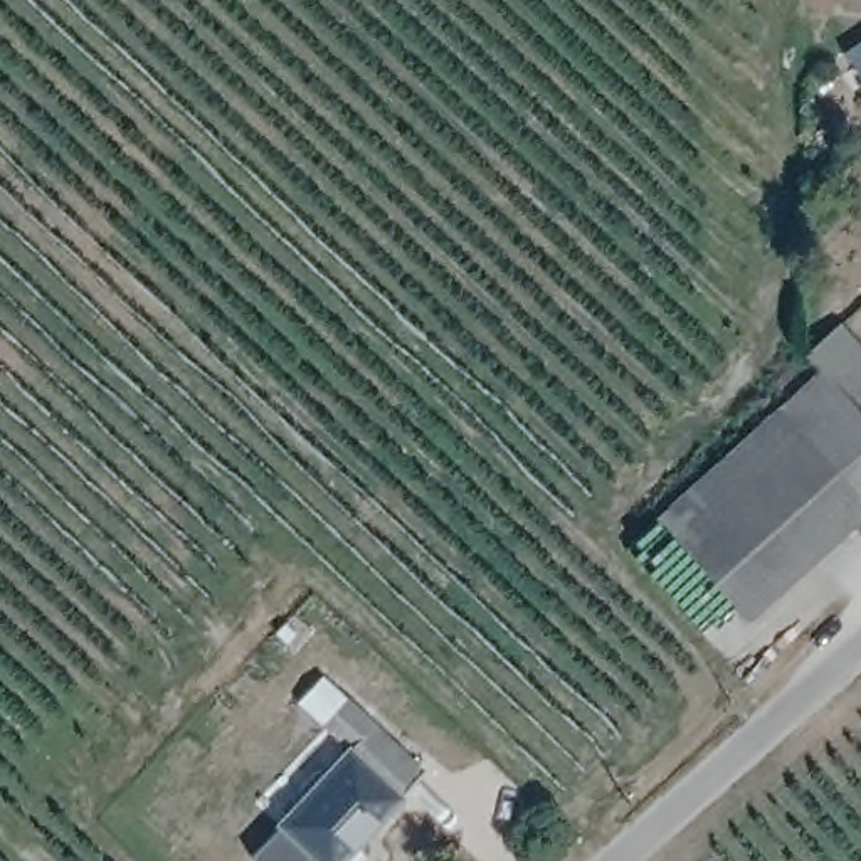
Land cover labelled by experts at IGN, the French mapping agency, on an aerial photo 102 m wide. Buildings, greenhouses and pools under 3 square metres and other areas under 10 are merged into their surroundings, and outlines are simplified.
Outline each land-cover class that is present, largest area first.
<instances>
[{"label":"deciduous trees","instance_id":"1","mask_svg":"<svg viewBox=\"0 0 861 861\"><path fill-rule=\"evenodd\" d=\"M0 17L10 27H17L37 54H44L74 87H81L101 108V114H108L151 161H158L175 178V185L165 192L138 161H131L118 148V141H111L71 98H64L30 61H24L7 37H0V121L24 145H30L91 209H98L121 235H128L192 303H198L229 336H235V343L249 357H256L316 420H323L326 427L320 431V441H326V447L333 451V471L323 474L279 431L266 427L259 414L269 404L256 397V383L249 377L229 373L222 380L219 373H212L111 272L101 283L131 309L124 320H118L108 306L94 299L87 286H81L64 269L61 259L44 252L0 209V333H10L17 340V353L37 370V377L27 380L0 360V521L20 541H27L44 562H50L61 572V578H67L121 632V639L111 642L74 602H67L50 585V578H44L20 552H13L0 538V558L24 572L37 592H44L114 666H121L118 673H101L91 663V656L74 639H67L0 572V595H7L84 669V679L77 683L81 693H87L101 706L124 713L128 737H145L161 716V703L168 693H175L178 686H185L188 679L202 676L209 666L219 663V646L209 639L205 626L219 619L232 632H242L252 612V585L262 589V595H272L279 585V568L286 562L316 568L340 589L360 595L363 605L380 612L397 636L417 646L420 656L451 666H467L471 676L491 693L508 686V673L518 669L535 693H541L545 683L535 669L548 666L562 683H568L585 700L589 693L555 659H548V649L558 646L595 683L605 686V693L626 713H639L636 700H629V693L615 686L612 676H605L585 652H578L562 636V629L548 622V612H558L572 629H578L589 639V646H595L609 663H615V669L629 676L639 689L656 676L676 686V676L666 669L669 663H679L686 673H696V659L676 642V636L663 622H656L642 602H636L595 558L585 555V548H578L552 521L555 511L568 508L582 515L589 525L602 521L612 501V467L578 437L575 427H568L562 414H555L538 397L535 387L518 380L447 306L437 303L434 293L424 289V283H417L387 249H380L343 209H336V202L316 188L309 175H303L239 111H232L229 101H222L121 0H0ZM74 158L84 168H91L108 188H114L135 209V215L121 219V212L111 202L94 195V188L84 185L77 172H71L67 161ZM239 98H246L286 141H293L303 151V158H309L346 198H353L414 262H420L434 279H441V286H447L498 336V343L508 346L535 377H541L626 464H632V447L622 441V434L609 427L602 417H595V410L582 404L575 390H568L552 370H545V363L528 346H521L504 330V323L484 303H478L474 293H467L441 262H434L380 205L367 198L360 185H353L336 165H330L259 91H252L161 0H141ZM212 34H219V40L229 44V50H235V57L249 71H256L289 108H296L346 161H353L404 215H410L417 229H424L481 286H488V293L501 306H508L535 340H541L646 441L649 427L642 424V417L612 387H605L595 370H589L558 336H552L528 309H521L504 286H498L451 235H444L326 118H320L303 98H296L289 84L276 71H269L239 37H232V30H225L198 0H182ZM256 40H262L289 71H296V77L313 94H320L360 138H367L387 161H394L397 172L444 219H451L501 272H508L548 316H555V323H562L578 343H585L602 363H609V370L622 377L656 417L673 414L659 400V394L646 387L636 373H629V367L619 363V357H612L599 343V336L582 330L521 266H515L464 212H457L380 131H373L326 81H320L309 71L303 57H296L272 30H266L239 0H219ZM474 209H481L528 259H535L565 293H572L595 320H602L612 330V336H619L622 346L632 350L676 394L683 390V377L689 373L703 383L726 373V346L706 330L716 323L750 326V303L760 283H774L780 289L787 279L797 286L807 266H827V252L821 242L811 252H774L770 235L760 229V198L767 178L703 131L700 118L689 111L693 98L686 94L693 77L639 27L649 17L679 50L689 54L693 44L656 10L659 3H666L686 24L700 27L703 20L693 17V10L683 0H262ZM464 161L478 165L484 178H491L558 246V252L548 256L488 195H481V188L457 172ZM800 215L817 239L841 215L861 219V141H841L824 182L800 185ZM814 323L794 306L790 330L780 333L777 350L787 360L811 353L814 346ZM0 629L10 632L27 652H34V659H40V666L54 673L64 686H71L74 679L24 629H17L0 612ZM0 663L20 683L30 686V693L50 713L61 703L20 659H13L0 646ZM0 700L34 733L44 730V723L27 710V703L17 693H10L0 683ZM848 747H854L851 753L834 757L837 770L848 777L844 784L834 787L824 770L814 774L811 787H784L780 780L770 794L750 804L760 811L757 821L743 814L737 821L720 824L713 834H706V848L696 861H861V730H841ZM575 841V824L562 814L555 797L548 804L525 811L515 824V831L504 837V848L518 861H562ZM54 817L67 831H74L67 844L44 827L40 817H30V827L44 837V848L61 861H114L64 811Z\"/></svg>","mask_w":861,"mask_h":861},{"label":"herbaceous vegetation","instance_id":"2","mask_svg":"<svg viewBox=\"0 0 861 861\"><path fill-rule=\"evenodd\" d=\"M222 101H229L232 111H239L303 175H309L316 188L336 202V209H343L380 249H387L417 283H424V289L434 293L437 303L447 306L518 380L535 387L538 397L555 414H562L568 427H575L578 437L612 467V501L602 521L589 525L582 515L568 508L555 511L552 521L578 548H585V555L595 558L636 602H642L656 622H663L676 636V642L696 659V673H686L679 663H669L666 669L676 676V686L656 676L639 689L629 676L615 669V663H609L595 646H589V639L578 629H572L558 612H548V622L562 629V636L578 652H585L605 676H612L615 686L629 693V700H636L639 713H626L605 693V686L595 683L558 646L548 649V659H555L589 693L585 700L568 683H562L548 666L535 669L545 683L541 693H535L518 669L508 673V686L491 693L471 676L467 666H451L420 656L417 646L397 636L380 612L363 605L360 595L340 589L316 568L286 562L279 568V585L272 595H262V589L252 585V612L242 632H232L219 619L205 626L209 639L219 646V663L209 666L202 676L188 679L185 686H178L175 693H168L161 703V716L145 737H128L124 713L101 706L87 693H81L77 683L84 679V669L7 595H0V612L17 629H24L74 679L71 686H64L54 673L40 666V659H34V652H27L10 632L0 629V646L13 659H20L61 703L50 713L30 693V686L20 683L0 663V683L10 693H17L27 703V710L44 723V730L34 733L0 700V861H61L44 848V837L30 827V817H40L44 827L67 844L74 831H67L54 817L64 811L114 861H256L252 851H259L276 831L272 817L266 814L272 794H279L289 784V777L306 760L296 740L303 733L296 730V720L303 716L299 700L320 679L330 683L343 700L353 696L383 730H390L420 760L434 757L447 770H467L471 763L488 760L518 787L508 817L515 824L525 811L548 804L555 797L562 814L575 824V841L562 861H585L595 848L609 844L626 824L622 811H629L632 800H639L652 784H659L663 774L676 767L703 737H710L723 720H743L787 686L797 663L821 639L841 629V615L848 605L834 602L821 622H814L794 642L780 639V646H774V652H767V659L760 663V669L743 676L733 673L730 659L716 646L706 642V626L700 619L679 612L676 592L666 589V582L656 572H646V555H636L622 545L626 511L659 484L663 471H669L679 461V454H686L700 427L713 424L723 414V407L753 380V373L777 350L780 333L790 330L794 306L814 323V346L844 323H854V330L861 333V219L841 215L817 239L800 215V185L824 182L841 141H861V77H854L844 50L861 44V0H683L693 10V17L703 20L700 27L686 24L666 3H659L656 10L693 44L689 54L679 50L649 17L639 27L693 77L686 94L693 98L689 111L700 118L703 131L767 178L760 198V229L770 235L774 252H811L821 242L827 252V266H807L797 286L787 279L780 289L774 283H760L750 303V326L716 323L706 330L726 346V373L703 383L689 373L683 377V390L676 394L632 350L622 346L619 336H612V330L602 320H595L572 293H565L535 259H528L481 209H474L262 0H239L266 30H272L296 57H303L309 71L320 81H326L373 131H380L457 212H464L515 266H521L582 330L599 336V343L612 357H619V363L629 367V373H636L646 387L659 394V400L673 414L656 417L622 377L609 370V363H602L585 343H578L562 323H555V316H548L508 272H501L451 219H444L397 172L394 161H387L367 138H360L320 94H313L296 77V71H289L262 40H256L219 0H198L225 30H232V37H239L269 71H276L289 84L296 98H303L320 118H326L444 235H451L498 286H504L521 309H528L552 336H558L589 370H595L605 387H612L642 417V424L649 427L646 441L541 340H535L508 306H501L488 293V286H481L424 229H417L410 215H404L353 161H346L296 108H289L256 71H249L235 57V50H229V44L219 40V34H212L182 0H161L252 91H259L330 165H336L353 185H360L367 198L380 205L434 262H441L467 293H474L478 303H484L504 323V330L521 346H528L545 363V370H552L568 390H575L582 404L595 410V417H602L609 427L622 434V441L632 447V464H626L541 377H535L508 346L498 343V336L447 286H441V279H434L420 262H414L353 198H346L309 158H303V151L293 141H286L246 98H239L141 0H121ZM811 47L827 50L837 64V74L817 84L821 98L814 104V114L821 131L814 135V145L794 148L790 87L797 61ZM0 37H7L24 61H30L64 98H71L111 141H118V148L131 161H138L165 192L175 185V178L158 161H151L108 114H101V108L81 87H74L44 54H37L17 27H10L0 17ZM0 209L44 252L61 259L64 269L81 286H87L94 299L108 306L118 320H124L131 309L101 283L111 272L212 373H219L222 380L229 373L249 377L256 383V397L269 404L259 414L266 427L279 431L323 474L333 471V451L326 447V441H320V431L326 427L323 420H316L256 357H249L235 343V336H229L198 303H192L128 235H121L98 209H91L30 145H24L0 121ZM71 172H77L84 185L94 188V195L111 202L121 212V219L135 215V209L114 188H108L91 168H84L74 158L67 161ZM457 172L481 188V195H488L548 256L558 252V246L491 178H484L478 165L464 161ZM0 360L27 380L37 377V370L17 353V340L10 333H0ZM0 538L13 552H20L44 578H50V585L67 602H74L111 642L121 639V632L67 578H61V572L50 562H44L27 541H20L0 521ZM0 572L67 639H74L91 656V663L101 673H118L121 666H114L44 592H37L24 572L0 558ZM841 730H861V673L649 861H696L706 848V834H713L720 824L737 821L743 814L757 821L760 811L750 804L770 794L780 780L784 787H811L814 774L824 770L834 787L844 784L848 777L837 770L834 757L851 753L854 747H848ZM383 861H461L464 848L454 834L441 831L427 814H407L404 824L390 827L383 837Z\"/></svg>","mask_w":861,"mask_h":861},{"label":"building","instance_id":"3","mask_svg":"<svg viewBox=\"0 0 861 861\"><path fill-rule=\"evenodd\" d=\"M854 77H861V44L844 50ZM811 367L817 370L814 380L800 394H794L774 417H767L743 444H737L700 484H693L666 515H659V521L673 535L669 545L689 552L703 575L716 582V589L726 599L723 612H733L743 622H757L814 565H821L834 548H841L851 538V531L861 535V333L854 330V323H844L814 346L811 353ZM303 716L296 720V730L303 733L296 740L306 760L289 777V784L279 794H272L266 814L272 817L276 831L259 851H252L256 861H346L350 854L370 851V841L380 834V821L420 780V760L390 730H383L353 696L343 700L330 683L320 679L299 700Z\"/></svg>","mask_w":861,"mask_h":861},{"label":"impervious surface","instance_id":"4","mask_svg":"<svg viewBox=\"0 0 861 861\"><path fill-rule=\"evenodd\" d=\"M673 535L659 521L639 538L636 555H646V572H656L666 582V589L676 592L679 612L700 619L706 626V642L716 646L730 659L733 673L743 676L760 669V663L767 659V652H774V646H780V639L794 642L814 622H821L834 602L848 605L841 615V629L821 639L797 663L787 686L743 720L720 747H713L663 797H656L639 817L626 824L609 844L595 848L585 861H649L861 673V535L851 531V538L841 548H834L821 565H814L757 622H743L733 612H723L726 599L716 589V582L703 575L689 552L669 545ZM420 780L380 821V834L370 841V851L350 854L346 861H383V837L390 827L404 824L407 814H427L441 831L454 834L464 848L461 861H518L504 848V837L515 831V824L508 817L518 787L488 760L471 763L467 770H447L434 757L420 760Z\"/></svg>","mask_w":861,"mask_h":861},{"label":"brushwood","instance_id":"5","mask_svg":"<svg viewBox=\"0 0 861 861\"><path fill-rule=\"evenodd\" d=\"M837 74V64L827 50L811 47L797 61L790 87L794 148L814 145V135L821 131L814 114V104L821 98L817 84ZM817 370L811 367V353L787 360L777 350L753 373V380L723 407V414L713 424L700 427L686 454H679V461L669 471H663L659 484L626 511L622 545L636 555L639 538L659 521V515H666L693 484H700L737 444H743L767 417H774L794 394H800L814 380ZM743 720H723L710 737H703L676 767L663 774L659 784H652L639 800H632L629 811H622L626 824L639 817L656 797H663L713 747H720Z\"/></svg>","mask_w":861,"mask_h":861}]
</instances>
